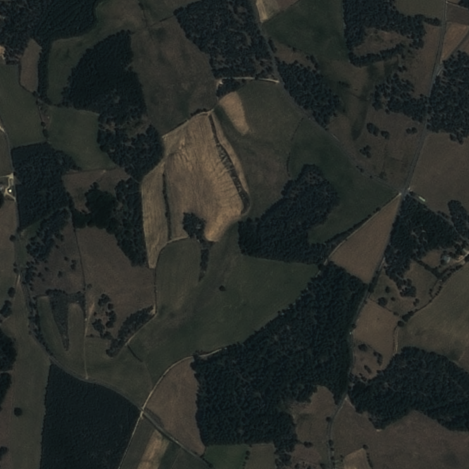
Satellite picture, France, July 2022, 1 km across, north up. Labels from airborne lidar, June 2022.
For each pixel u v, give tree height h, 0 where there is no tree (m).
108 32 0
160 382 0
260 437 13
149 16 0
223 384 33
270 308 0
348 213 0
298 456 0
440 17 0
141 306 0
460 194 0
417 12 0
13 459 0
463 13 0
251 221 20
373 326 0
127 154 17
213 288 0
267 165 0
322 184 14
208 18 17
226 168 0
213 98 0
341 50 0
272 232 22
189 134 0
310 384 25
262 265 0
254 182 0
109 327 11
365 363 0
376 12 19
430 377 16
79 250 0
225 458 0
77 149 0
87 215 14
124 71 14
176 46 0
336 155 0
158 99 0
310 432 0
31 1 23
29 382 0
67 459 11
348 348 13
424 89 0
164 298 0
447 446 0
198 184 0
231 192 0
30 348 0
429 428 0
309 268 0
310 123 0
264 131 0
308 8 0
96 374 0
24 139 0
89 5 15
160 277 0
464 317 0
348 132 0
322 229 0
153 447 0
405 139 0
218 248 0
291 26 0
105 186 0
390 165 0
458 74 19
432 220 16
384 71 0
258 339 18
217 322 0
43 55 11
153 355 0
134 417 9
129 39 16
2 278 0
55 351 0
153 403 0
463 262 0
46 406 7
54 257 0
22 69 0
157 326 0
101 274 0
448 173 0
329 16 0
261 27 0
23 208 11
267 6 0
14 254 0
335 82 0
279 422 17
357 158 0
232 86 14
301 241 10
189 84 0
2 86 0
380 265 0
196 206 0
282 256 18
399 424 0
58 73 0
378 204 0
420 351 26
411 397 23
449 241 14
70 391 8
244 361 32
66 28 16
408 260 20
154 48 0
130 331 10
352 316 15
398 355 11
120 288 0
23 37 18
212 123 0
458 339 0
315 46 0
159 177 0
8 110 0
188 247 0
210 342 0
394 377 20
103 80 10
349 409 0
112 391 9
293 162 0
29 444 0
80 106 12
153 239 0
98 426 7
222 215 0
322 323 29
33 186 10
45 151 11
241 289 0
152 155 13
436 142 0
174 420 0
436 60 0
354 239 0
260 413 26
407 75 0
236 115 0
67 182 0
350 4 16
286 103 0
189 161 0
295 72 18
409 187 0
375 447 0
